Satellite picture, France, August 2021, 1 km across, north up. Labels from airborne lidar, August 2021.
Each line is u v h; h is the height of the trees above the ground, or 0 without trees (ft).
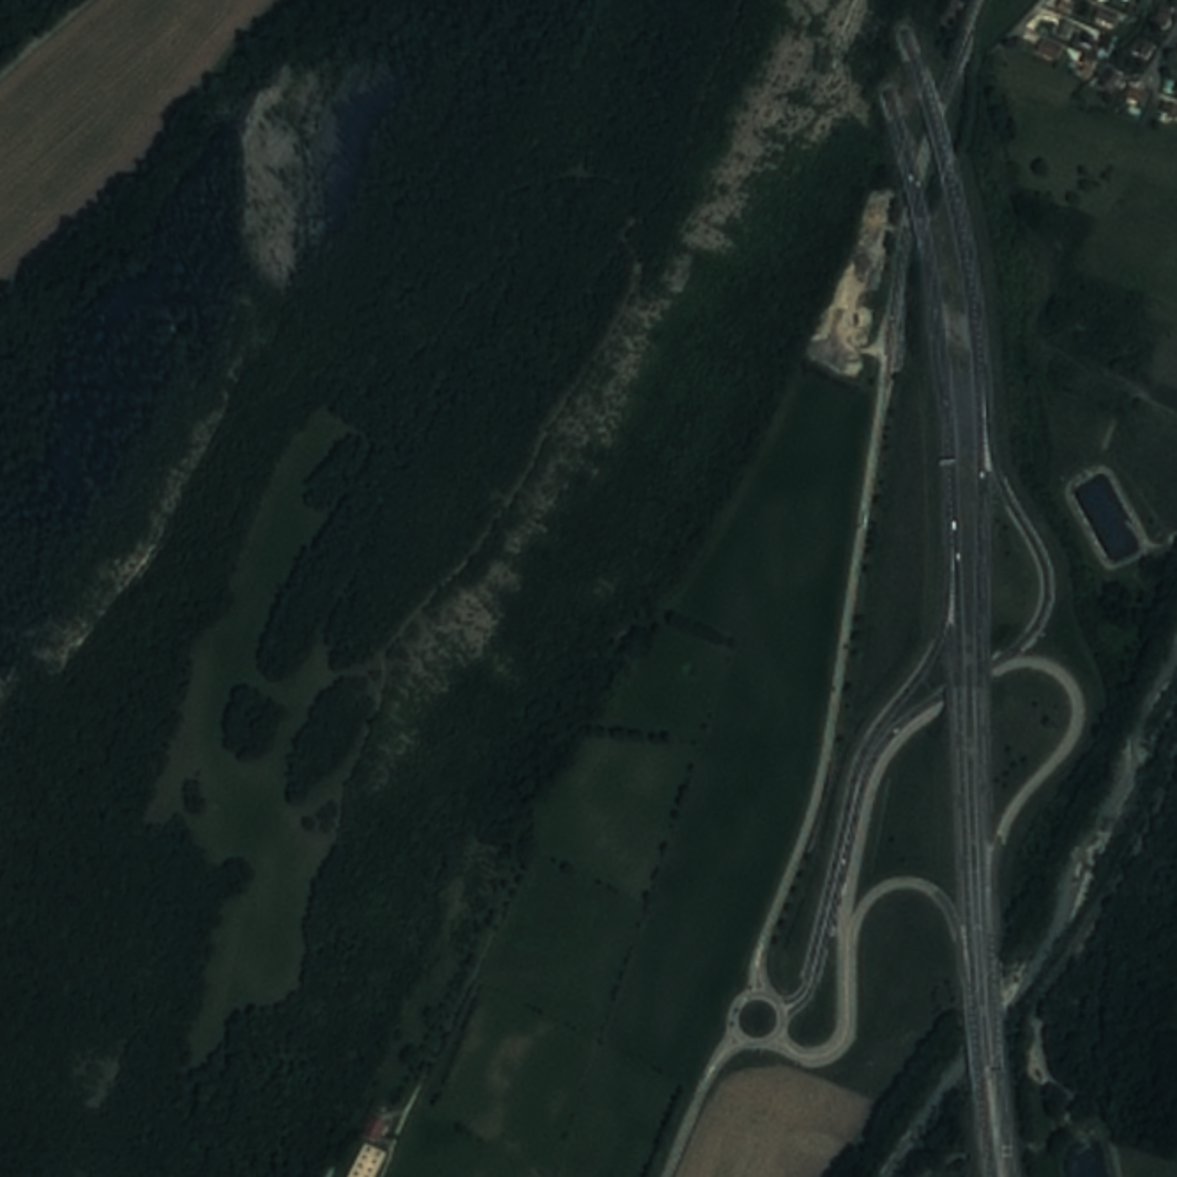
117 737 41
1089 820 52
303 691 0
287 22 79
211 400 20
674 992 0
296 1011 34
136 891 63
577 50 53
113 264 70
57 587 31
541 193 43
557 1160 0
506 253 48
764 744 0
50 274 98
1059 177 0
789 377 44
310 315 35
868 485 0
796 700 0
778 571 0
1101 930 34
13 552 37
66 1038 46
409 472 42
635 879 0
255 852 0
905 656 0
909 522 0
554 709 63
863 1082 0
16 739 61
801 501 0
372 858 41
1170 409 0
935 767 0
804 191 40
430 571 26
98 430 23
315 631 28
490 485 25
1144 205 0
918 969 0
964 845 0
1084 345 19
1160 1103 56
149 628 58
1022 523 0
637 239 33
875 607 0
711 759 0
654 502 42
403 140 41
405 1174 0
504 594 19
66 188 0
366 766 20
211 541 66
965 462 0
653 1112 0
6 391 78
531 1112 0
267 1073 80
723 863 0
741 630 0
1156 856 21
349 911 52
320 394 45
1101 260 0
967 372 0
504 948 0
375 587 36
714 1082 0
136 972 28
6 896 46
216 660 0
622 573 24
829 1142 0
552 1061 0
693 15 50
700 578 0
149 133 0
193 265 22
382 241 38
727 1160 0
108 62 0
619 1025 0
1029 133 0
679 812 29
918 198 0
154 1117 41
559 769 50
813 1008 0
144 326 19
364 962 47
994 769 0
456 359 49
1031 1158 34
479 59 51
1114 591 34
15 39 56
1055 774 0
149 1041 45
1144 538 0
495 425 34
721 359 43
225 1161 51
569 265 38
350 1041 47
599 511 29
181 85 0
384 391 48
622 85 47
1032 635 0
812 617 0
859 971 0
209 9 0
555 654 54
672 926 0
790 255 53
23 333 57
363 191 20
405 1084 18
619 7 25
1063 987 35
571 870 29
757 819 0
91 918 65
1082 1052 26
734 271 26
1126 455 0
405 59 28
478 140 34
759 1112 0
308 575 38
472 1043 0
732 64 25
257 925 0
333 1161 66
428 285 50
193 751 0
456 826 33
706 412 45
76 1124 32
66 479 25
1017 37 26
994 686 0
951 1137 36
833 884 0
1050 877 35
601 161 39
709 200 20
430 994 0
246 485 47
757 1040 0
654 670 0
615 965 0
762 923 0
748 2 28
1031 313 25
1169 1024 59
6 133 0
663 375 28
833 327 0
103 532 30
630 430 19
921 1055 38
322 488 42
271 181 0
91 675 56
